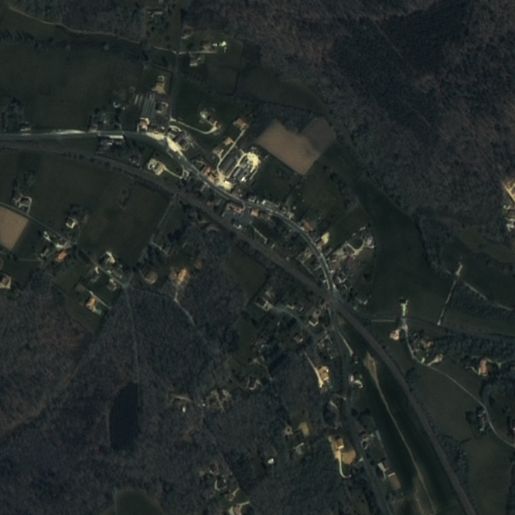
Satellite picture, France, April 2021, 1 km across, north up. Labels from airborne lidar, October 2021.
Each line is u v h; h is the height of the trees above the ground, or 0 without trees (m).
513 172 20
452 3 13
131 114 0
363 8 16
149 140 0
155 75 0
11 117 9
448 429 0
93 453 7
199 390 15
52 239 7
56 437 9
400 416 0
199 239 21
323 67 13
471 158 12
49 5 27
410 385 10
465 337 7
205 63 0
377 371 0
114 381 6
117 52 6
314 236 0
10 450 20
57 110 0
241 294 22
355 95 15
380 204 0
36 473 18
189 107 0
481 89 20
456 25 13
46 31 0
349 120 18
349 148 8
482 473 0
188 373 16
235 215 0
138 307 18
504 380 15
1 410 32
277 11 11
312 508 24
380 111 14
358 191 0
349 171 0
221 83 0
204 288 16
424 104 21
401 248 0
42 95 0
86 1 21
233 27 23
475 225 20
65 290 7
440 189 22
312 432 0
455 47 10
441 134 20
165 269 14
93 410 8
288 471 22
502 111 16
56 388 21
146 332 20
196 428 19
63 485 18
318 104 0
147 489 16
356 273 0
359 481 18
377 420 0
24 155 0
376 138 17
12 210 0
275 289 16
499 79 17
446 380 0
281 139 0
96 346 20
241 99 7
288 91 0
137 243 0
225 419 18
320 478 22
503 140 20
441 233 15
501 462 0
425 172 18
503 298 0
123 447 8
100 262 10
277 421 19
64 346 7
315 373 11
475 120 20
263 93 0
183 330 20
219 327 13
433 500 0
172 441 22
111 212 0
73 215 7
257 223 0
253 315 7
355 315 8
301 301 0
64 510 22
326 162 0
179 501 14
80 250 11
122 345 14
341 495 27
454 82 8
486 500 0
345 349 0
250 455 21
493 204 21
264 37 19
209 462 18
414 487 0
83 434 7
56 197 0
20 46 0
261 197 7
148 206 0
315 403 22
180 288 23
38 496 22
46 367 18
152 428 17
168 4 20
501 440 0
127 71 0
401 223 0
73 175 0
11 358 18
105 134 0
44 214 0
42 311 18
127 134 0
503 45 20
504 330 0
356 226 0
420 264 0
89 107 0
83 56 0
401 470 0
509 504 11
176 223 0
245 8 10
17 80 0
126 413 9
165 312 23
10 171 0
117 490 19
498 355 13
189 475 22
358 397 18
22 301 17
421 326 0
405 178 18
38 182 0
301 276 0
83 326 10
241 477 22
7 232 0
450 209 21
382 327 0
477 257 6
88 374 8
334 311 0
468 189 21
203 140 0
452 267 0
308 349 19
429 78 16
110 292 0
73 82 0
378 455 0
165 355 20
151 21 6
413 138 19
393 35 14
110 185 0
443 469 8
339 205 0
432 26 14
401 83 15
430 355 0
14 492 17
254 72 0
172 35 0
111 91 0
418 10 13
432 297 0
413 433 0
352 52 17
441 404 0
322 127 0
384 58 17
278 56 25
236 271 0
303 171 0
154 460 21
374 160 19
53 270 15
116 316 22
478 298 10
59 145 0
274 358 18
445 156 20
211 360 19
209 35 0
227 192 0
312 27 12
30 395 21
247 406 23
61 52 0
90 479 21
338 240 0
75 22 20
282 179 9
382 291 0
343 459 0
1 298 18
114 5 15
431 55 13
